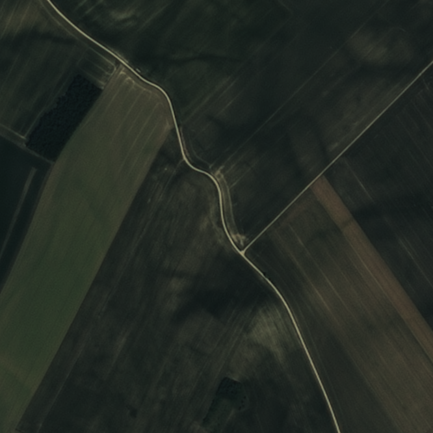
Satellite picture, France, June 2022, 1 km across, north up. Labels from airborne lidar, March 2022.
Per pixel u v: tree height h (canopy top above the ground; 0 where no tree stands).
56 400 0
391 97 0
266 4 0
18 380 0
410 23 0
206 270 0
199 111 0
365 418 0
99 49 0
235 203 0
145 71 0
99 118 0
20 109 0
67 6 0
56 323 0
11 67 0
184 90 0
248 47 0
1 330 0
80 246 0
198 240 0
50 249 0
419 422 0
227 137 0
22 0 0
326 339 0
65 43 0
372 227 0
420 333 0
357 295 0
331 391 0
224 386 7
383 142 0
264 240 0
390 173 0
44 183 0
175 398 0
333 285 0
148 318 0
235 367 0
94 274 0
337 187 0
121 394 0
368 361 0
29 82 0
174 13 0
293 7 0
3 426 0
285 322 0
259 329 0
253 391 0
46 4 0
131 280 0
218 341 0
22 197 0
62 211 0
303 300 0
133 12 0
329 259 0
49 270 0
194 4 0
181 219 0
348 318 0
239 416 0
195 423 0
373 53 0
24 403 0
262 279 0
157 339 0
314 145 0
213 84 0
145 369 0
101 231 0
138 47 0
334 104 0
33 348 0
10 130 0
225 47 0
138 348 0
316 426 0
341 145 0
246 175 0
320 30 0
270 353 0
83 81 11
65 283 0
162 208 0
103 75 0
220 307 0
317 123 0
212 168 0
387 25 0
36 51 0
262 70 0
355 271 0
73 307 0
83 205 0
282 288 0
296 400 0
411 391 0
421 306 0
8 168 0
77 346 0
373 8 0
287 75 0
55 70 0
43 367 0
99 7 0
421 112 0
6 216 0
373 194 0
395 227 0
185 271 0
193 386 0
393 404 0
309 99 0
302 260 0
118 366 0
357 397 0
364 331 0
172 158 0
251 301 0
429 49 0
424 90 0
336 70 0
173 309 0
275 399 0
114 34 0
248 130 0
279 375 0
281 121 0
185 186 0
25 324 0
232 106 0
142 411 0
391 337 0
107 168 0
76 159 0
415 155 0
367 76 0
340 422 0
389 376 0
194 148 0
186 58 0
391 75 0
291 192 0
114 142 0
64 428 0
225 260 0
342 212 0
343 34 0
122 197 0
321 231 0
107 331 0
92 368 0
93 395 0
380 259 0
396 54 0
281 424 0
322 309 0
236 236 0
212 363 0
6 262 0
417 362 0
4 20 0
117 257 0
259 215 0
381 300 0
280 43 0
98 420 0
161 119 0
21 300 0
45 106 0
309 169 0
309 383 0
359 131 0
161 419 0
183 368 0
